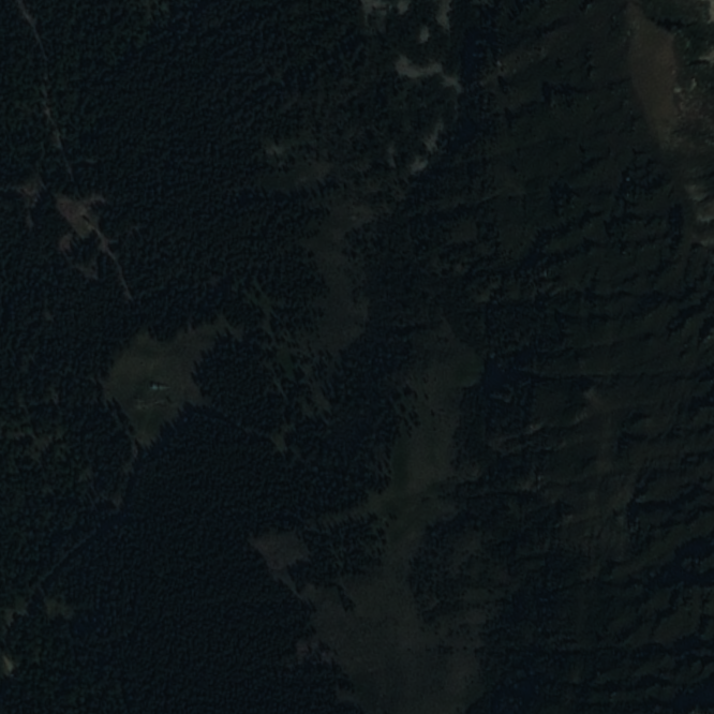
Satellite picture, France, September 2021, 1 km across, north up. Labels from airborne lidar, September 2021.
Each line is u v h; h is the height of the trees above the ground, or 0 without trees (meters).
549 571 7
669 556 0
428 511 0
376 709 0
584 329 0
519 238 0
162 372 0
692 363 0
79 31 14
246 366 14
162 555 24
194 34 19
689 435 0
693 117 0
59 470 9
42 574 20
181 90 21
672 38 0
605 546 0
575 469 0
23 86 9
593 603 0
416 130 8
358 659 0
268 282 12
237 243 17
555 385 0
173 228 23
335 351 0
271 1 8
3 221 18
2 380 16
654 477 0
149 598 22
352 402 10
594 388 0
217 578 19
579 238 0
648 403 0
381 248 12
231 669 13
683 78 0
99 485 13
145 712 22
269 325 0
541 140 0
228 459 17
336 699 15
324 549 9
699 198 0
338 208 0
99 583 22
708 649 0
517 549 9
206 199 15
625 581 0
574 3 0
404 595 0
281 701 14
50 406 7
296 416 10
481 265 11
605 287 0
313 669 12
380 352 7
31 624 10
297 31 8
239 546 17
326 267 0
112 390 0
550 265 9
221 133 21
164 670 18
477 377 0
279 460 14
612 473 0
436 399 0
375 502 0
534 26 0
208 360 12
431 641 0
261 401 14
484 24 7
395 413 12
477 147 9
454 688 0
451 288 10
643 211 0
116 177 19
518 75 0
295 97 25
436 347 0
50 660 15
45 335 18
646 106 0
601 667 0
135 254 11
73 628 11
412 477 0
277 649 10
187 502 15
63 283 20
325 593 0
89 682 10
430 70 0
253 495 12
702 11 0
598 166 0
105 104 20
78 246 8
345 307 0
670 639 0
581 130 0
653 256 0
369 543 7
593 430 0
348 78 10
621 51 0
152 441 0
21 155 10
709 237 0
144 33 9
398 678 0
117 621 20
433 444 0
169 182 14
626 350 0
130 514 16
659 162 0
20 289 13
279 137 11
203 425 13
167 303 16
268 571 13
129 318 14
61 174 15
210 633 18
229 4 29
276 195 0
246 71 21
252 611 19
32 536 9
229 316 13
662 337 0
